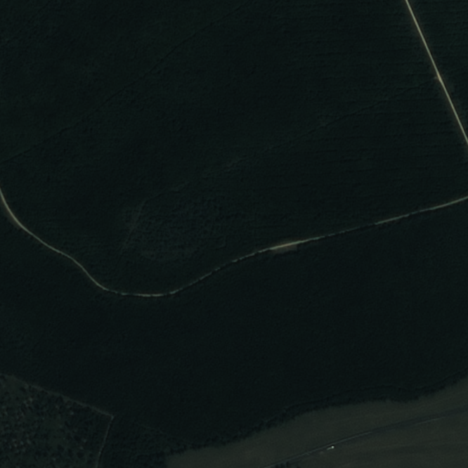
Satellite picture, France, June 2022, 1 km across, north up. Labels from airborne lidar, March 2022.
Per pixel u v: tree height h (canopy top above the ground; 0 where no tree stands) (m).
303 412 13
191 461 0
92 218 0
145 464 20
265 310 10
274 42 7
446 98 0
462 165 7
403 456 0
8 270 12
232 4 7
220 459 0
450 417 0
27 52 6
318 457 0
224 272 11
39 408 18
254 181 12
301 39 9
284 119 7
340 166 7
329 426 0
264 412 11
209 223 18
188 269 10
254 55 9
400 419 0
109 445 6
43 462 0
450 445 0
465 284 13
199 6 6
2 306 13
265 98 12
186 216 17
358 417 0
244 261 8
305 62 6
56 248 8
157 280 13
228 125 6
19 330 11
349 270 12
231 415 9
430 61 0
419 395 14
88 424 18
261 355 9
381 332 11
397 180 8
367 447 0
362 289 11
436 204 8
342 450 0
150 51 8
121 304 15
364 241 13
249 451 0
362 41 6
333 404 13
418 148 7
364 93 7
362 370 12
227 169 6
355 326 12
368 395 9
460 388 0
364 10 7
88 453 0
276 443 0
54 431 0
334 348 11
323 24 6
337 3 6
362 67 7
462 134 0
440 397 0
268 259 22
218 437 16
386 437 0
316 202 9
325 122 5
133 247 0
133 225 0
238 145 7
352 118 7
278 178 6
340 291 11
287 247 0
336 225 8
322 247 12
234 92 9
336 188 7
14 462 0
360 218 7
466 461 0
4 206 0
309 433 0
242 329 11
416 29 0
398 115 7
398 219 0
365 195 6
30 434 0
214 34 7
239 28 8
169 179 7
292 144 7
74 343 11
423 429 0
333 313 11
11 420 0
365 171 6
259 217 8
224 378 10
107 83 9
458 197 6
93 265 11
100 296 17
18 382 0
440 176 6
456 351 11
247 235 5
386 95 7
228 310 11
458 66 7
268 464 0
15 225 0
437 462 0
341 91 6
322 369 12
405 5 0
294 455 0
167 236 15
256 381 12
